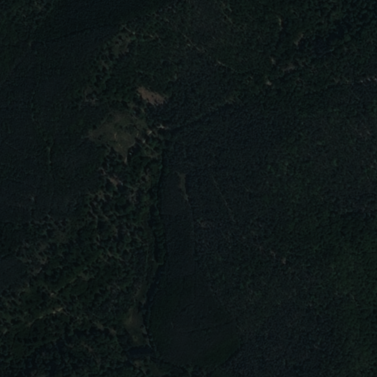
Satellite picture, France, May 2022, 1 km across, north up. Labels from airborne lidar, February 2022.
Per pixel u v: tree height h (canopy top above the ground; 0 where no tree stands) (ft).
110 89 81
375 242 98
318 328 72
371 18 90
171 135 84
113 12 46
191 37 72
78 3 51
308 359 74
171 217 52
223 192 85
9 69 67
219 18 64
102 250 88
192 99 74
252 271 64
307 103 47
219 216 69
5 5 82
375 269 107
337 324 82
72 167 57
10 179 52
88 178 60
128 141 0
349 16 114
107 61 81
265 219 75
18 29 83
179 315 62
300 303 82
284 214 74
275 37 85
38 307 114
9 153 56
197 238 37
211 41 75
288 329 95
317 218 91
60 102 48
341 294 79
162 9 83
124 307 87
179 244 57
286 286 79
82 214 36
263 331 86
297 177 86
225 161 78
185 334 58
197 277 50
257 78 79
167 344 67
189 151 79
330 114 76
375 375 94
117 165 110
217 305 51
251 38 79
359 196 99
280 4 94
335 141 73
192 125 90
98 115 23
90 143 48
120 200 29
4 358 99
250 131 83
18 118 56
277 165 58
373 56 77
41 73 62
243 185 71
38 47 65
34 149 51
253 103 73
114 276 70
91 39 68
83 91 24
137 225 101
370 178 76
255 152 82
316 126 75
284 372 90
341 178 77
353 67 91
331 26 122
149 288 0
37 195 47
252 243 64
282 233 78
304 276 52
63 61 66
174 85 89
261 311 88
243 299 73
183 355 70
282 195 73
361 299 107
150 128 107
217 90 79
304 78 98
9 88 65
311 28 98
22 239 31
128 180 42
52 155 43
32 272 77
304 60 110
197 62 78
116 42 0
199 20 68
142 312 44
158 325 62
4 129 62
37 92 56
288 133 84
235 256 59
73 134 53
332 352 85
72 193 63
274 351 90
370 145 79
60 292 51
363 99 82
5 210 62
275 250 76
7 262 47
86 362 0
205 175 73
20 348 44
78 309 87
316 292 64
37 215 53
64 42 64
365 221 92
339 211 92
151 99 0
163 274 56
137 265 93
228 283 59
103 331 0
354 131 76
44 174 59
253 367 87
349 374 90
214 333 63
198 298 52
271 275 65
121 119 0
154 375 0
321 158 76
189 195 65
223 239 80
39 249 70
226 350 0
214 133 88
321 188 85
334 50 91
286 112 86
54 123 46
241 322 73
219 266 68
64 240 0
